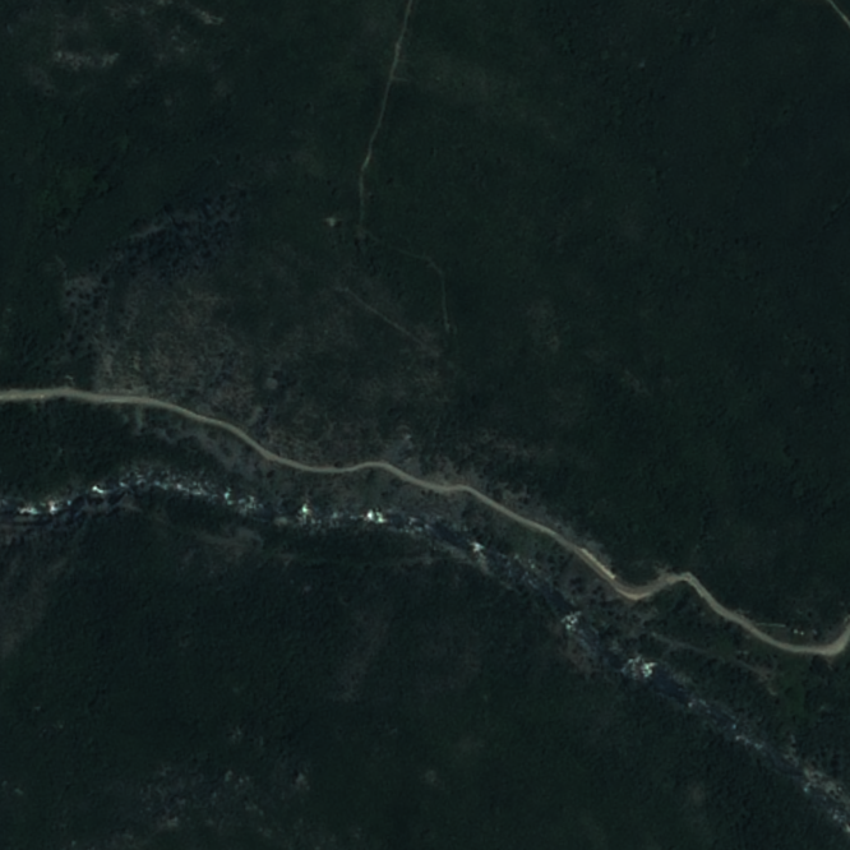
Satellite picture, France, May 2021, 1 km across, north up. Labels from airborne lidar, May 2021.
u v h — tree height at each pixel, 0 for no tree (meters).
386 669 7
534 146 6
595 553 0
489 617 8
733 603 6
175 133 6
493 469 10
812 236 6
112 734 6
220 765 7
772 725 15
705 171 9
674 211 8
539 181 8
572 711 8
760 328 6
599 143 6
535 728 6
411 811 6
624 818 5
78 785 6
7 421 12
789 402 5
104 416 13
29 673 6
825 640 7
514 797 5
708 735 12
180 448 9
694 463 6
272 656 6
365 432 9
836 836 6
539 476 6
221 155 8
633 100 8
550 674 7
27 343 15
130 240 6
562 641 8
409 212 6
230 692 6
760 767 8
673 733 7
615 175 8
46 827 7
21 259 6
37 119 7
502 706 6
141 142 6
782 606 5
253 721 11
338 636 10
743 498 6
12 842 5
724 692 9
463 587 6
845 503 7
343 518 0
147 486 14
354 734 6
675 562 10
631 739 9
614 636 24
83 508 0
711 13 6
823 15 6
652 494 6
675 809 6
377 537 8
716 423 8
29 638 6
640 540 8
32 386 8
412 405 7
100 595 12
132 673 7
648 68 5
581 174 8
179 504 10
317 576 8
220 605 7
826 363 8
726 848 9
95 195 10
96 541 10
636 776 8
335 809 5
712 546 6
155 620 10
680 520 7
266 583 8
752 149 12
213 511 9
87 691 7
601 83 6
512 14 10
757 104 6
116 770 7
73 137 6
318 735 6
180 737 6
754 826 14
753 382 7
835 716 7
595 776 9
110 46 6
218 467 10
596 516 7
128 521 11
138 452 8
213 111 8
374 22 0
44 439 10
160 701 7
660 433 7
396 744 5
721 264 5
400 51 0
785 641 0
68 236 6
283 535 7
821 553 6
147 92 7
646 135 9
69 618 11
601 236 7
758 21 5
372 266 12
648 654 13
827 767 12
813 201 6
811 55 6
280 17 6
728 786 7
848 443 6
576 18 9
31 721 8
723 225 6
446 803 6
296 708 7
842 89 5
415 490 0
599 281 6
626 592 0
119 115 7
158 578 5
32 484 6
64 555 7
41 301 7
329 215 6
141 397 0
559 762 6
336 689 6
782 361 10
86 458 11
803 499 12
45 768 5
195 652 7
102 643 15
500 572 6
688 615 6
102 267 8
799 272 6
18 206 7
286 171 0
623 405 7
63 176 6
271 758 6
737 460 6
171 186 6
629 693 14
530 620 9
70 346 10
